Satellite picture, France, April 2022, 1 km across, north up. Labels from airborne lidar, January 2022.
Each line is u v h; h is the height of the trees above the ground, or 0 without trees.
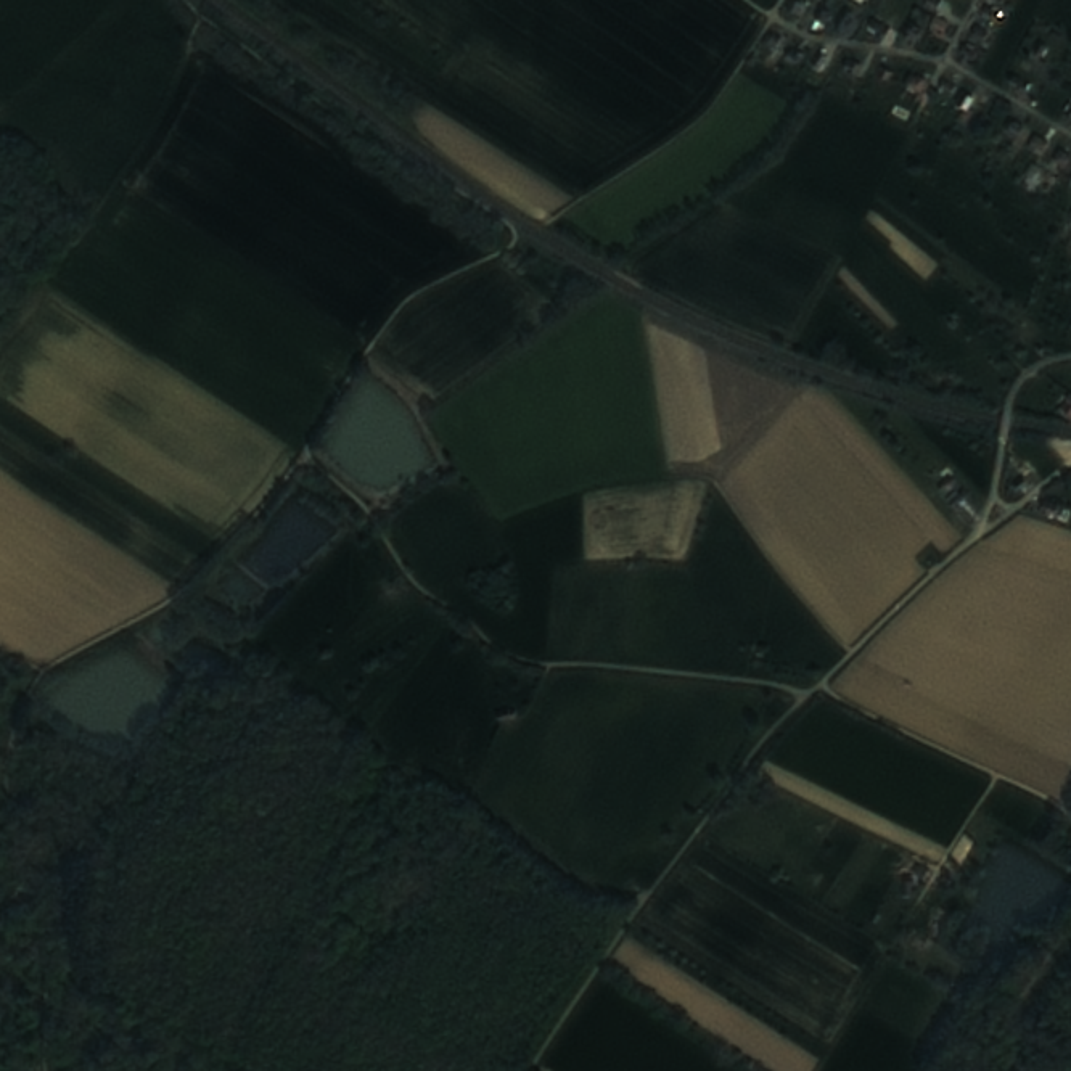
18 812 28
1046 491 6
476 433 0
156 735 24
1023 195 0
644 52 0
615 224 0
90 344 0
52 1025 34
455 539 0
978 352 0
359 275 0
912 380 15
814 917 0
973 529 0
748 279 0
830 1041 0
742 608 0
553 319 20
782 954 0
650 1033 0
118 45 0
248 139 0
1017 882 0
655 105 0
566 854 0
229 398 0
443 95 0
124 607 0
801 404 0
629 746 0
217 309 0
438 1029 22
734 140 0
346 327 0
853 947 0
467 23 0
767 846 0
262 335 0
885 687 0
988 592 0
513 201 0
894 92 0
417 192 17
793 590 0
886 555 0
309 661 0
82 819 26
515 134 0
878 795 0
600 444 0
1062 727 0
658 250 0
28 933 25
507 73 0
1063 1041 33
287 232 0
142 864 26
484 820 19
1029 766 0
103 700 0
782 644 0
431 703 0
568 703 0
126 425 0
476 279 0
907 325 0
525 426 0
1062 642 0
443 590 0
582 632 0
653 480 0
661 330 0
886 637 0
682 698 0
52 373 0
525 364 0
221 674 28
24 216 32
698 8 0
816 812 0
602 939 18
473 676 0
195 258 0
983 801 0
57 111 0
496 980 20
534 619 0
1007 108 9
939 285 0
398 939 16
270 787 26
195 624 22
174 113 0
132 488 0
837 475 0
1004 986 31
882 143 0
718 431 0
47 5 0
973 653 0
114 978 20
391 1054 21
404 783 13
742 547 0
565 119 0
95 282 0
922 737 0
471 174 0
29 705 20
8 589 0
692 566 0
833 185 0
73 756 23
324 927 23
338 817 20
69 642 0
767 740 0
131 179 0
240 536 17
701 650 0
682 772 0
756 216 0
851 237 0
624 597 0
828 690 0
